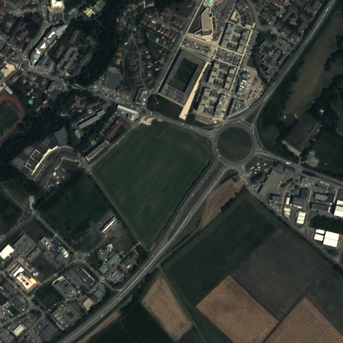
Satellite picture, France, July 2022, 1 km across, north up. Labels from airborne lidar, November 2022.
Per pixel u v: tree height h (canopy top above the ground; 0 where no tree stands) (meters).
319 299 0
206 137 0
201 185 0
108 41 22
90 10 0
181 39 0
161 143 0
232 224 0
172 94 0
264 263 0
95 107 8
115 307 0
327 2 10
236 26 0
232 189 0
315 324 0
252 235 0
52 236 10
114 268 0
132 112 0
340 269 14
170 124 0
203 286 0
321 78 0
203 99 0
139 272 0
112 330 0
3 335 0
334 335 0
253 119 0
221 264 0
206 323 0
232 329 0
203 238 0
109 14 24
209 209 0
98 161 0
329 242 0
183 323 0
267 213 0
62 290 0
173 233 0
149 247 0
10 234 0
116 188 0
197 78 0
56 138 0
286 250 0
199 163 0
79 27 15
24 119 10
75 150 18
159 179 0
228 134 0
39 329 0
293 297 0
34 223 0
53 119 16
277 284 0
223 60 0
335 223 7
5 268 9
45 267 0
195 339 0
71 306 0
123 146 0
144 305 0
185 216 0
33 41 0
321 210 0
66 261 0
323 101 18
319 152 0
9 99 0
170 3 21
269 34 0
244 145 0
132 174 0
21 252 0
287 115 0
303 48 0
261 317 0
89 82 17
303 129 0
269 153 0
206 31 0
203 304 0
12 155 6
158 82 0
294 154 11
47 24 0
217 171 0
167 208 0
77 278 0
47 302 0
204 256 0
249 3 0
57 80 0
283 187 9
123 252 0
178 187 0
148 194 0
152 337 0
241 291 0
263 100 0
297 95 0
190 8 0
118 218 6
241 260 0
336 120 19
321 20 0
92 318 0
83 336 0
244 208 0
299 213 0
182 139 0
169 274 0
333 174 13
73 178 7
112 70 0
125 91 0
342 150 0
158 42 0
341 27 0
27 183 17
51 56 8
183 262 0
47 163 0
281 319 0
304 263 0
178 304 0
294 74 0
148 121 0
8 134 0
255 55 9
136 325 0
